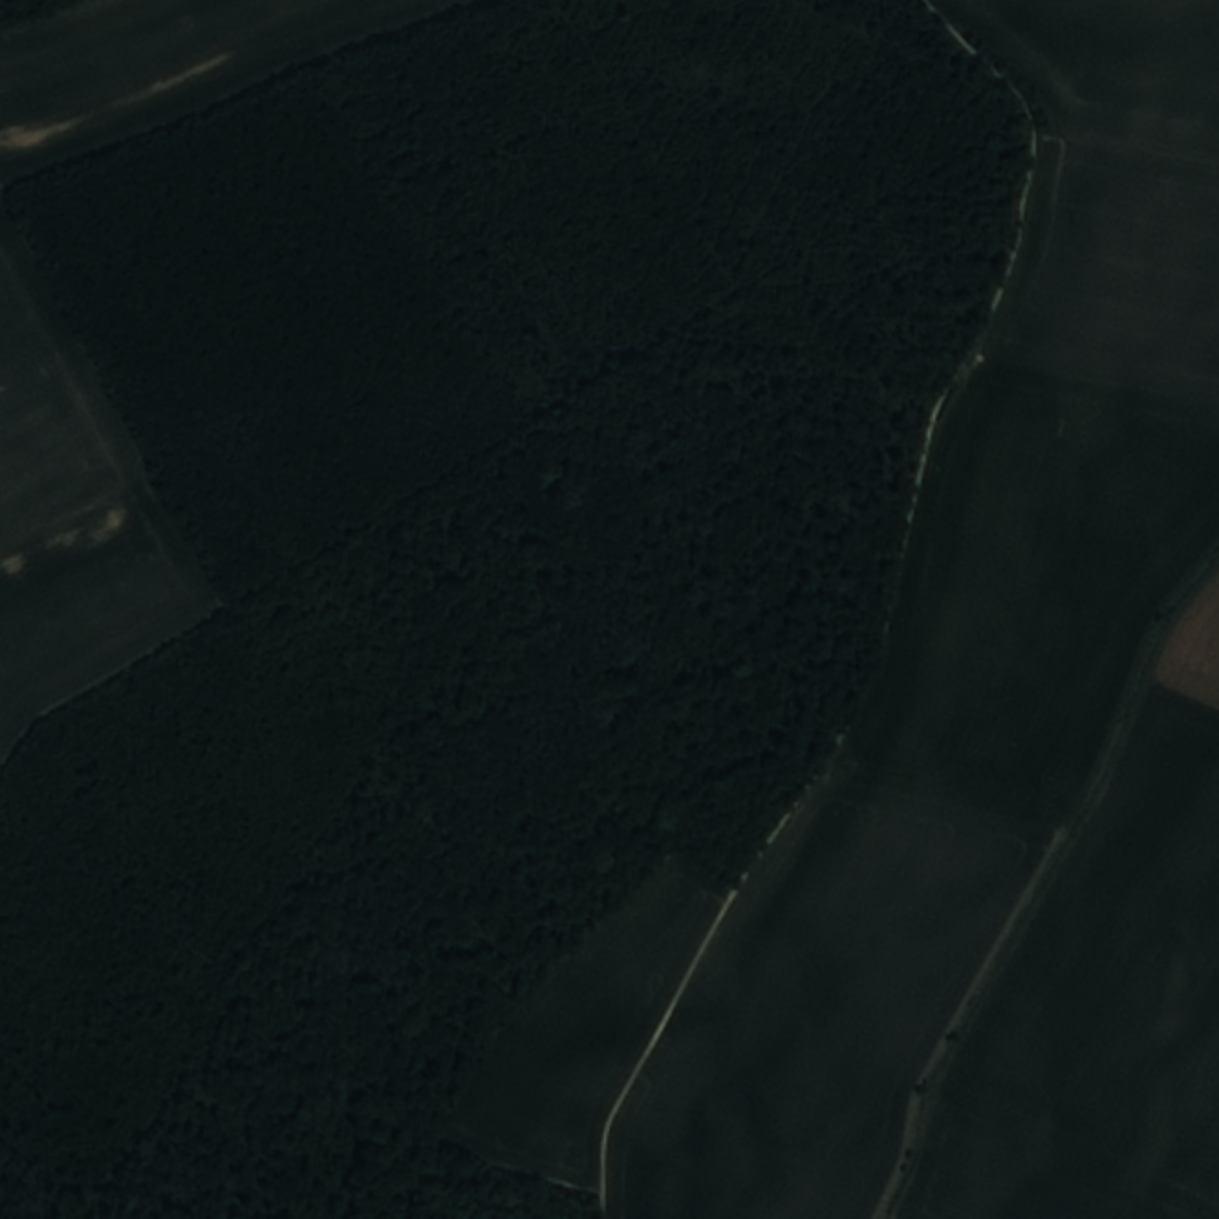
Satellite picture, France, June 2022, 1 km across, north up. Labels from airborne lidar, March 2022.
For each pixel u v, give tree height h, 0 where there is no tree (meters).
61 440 0
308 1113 17
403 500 17
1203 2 0
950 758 0
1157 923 0
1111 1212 0
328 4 0
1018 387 0
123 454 0
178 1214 21
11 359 0
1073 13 0
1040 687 0
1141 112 0
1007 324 0
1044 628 0
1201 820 0
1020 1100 0
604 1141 0
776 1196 0
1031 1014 0
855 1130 0
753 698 19
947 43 19
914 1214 0
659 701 24
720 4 0
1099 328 0
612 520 23
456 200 16
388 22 0
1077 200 0
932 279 18
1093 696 0
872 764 0
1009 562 0
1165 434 0
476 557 21
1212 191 0
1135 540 0
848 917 0
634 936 0
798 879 0
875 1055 0
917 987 0
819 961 0
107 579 0
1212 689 0
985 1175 0
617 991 0
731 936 0
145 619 0
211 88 0
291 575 17
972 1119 0
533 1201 15
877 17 17
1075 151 0
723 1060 0
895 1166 0
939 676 0
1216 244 0
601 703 21
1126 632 0
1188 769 0
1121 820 0
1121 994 0
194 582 0
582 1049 0
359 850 21
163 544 0
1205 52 0
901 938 0
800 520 25
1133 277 0
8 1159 20
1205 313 0
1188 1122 0
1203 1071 0
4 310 0
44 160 0
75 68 0
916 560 0
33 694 0
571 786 17
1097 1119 0
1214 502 0
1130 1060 0
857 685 12
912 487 16
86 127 0
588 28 0
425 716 23
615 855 19
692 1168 0
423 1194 18
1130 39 0
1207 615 0
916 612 0
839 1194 0
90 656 0
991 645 0
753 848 15
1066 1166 0
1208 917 0
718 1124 0
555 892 21
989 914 0
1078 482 0
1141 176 0
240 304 15
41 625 0
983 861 0
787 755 21
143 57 0
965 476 0
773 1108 0
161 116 0
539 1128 0
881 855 0
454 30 16
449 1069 11
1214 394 0
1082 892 0
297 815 8
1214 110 0
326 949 23
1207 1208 0
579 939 17
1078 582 0
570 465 18
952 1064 0
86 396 0
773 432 7
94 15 0
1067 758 0
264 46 0
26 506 0
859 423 23
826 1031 0
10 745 0
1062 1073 0
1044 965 0
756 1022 0
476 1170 12
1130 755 0
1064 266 0
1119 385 0
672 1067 0
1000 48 0
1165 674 0
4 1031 8
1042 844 0
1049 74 0
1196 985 0
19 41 0
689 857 16
